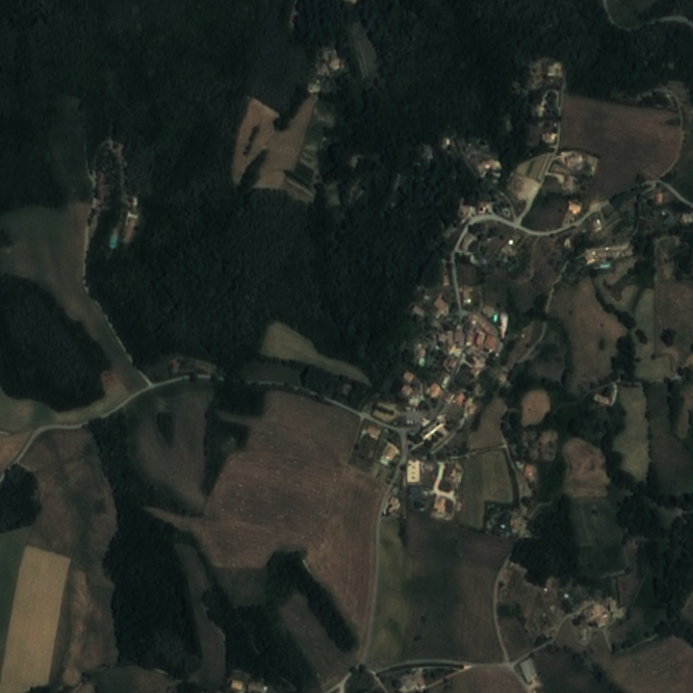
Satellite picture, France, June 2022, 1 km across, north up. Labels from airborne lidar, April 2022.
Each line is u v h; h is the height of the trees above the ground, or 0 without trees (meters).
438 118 11
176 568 18
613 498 0
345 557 0
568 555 10
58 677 0
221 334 19
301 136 0
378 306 15
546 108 7
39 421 0
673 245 0
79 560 0
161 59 20
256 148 0
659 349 0
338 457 0
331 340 20
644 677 0
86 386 11
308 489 0
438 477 0
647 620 0
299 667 8
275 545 0
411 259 14
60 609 0
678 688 0
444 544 0
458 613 0
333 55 0
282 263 15
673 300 0
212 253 16
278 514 0
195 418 0
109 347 0
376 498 0
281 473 0
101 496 0
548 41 18
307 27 31
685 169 0
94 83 10
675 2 17
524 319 9
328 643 0
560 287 7
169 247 13
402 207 13
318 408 0
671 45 13
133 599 12
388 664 0
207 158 16
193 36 18
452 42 14
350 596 0
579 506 0
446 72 9
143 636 17
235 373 16
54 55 15
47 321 11
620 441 0
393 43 15
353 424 0
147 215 7
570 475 0
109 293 16
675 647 0
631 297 0
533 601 0
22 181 16
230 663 13
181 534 12
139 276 14
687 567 14
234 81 15
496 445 0
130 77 13
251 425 0
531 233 0
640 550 7
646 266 8
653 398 0
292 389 7
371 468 0
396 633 0
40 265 0
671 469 0
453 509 0
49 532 0
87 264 6
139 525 19
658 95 13
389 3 15
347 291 18
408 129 12
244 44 17
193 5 17
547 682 0
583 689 0
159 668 8
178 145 18
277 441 0
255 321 17
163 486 0
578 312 0
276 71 14
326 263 14
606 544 0
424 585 0
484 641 0
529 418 0
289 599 0
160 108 17
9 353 12
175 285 14
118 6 15
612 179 0
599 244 0
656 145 0
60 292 0
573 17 21
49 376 8
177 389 0
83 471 0
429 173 14
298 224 22
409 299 13
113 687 0
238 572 0
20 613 0
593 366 0
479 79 7
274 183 0
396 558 0
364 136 12
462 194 14
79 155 0
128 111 17
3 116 16
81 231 0
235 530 0
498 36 12
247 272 21
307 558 0
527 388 11
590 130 0
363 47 0
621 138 0
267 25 12
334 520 0
